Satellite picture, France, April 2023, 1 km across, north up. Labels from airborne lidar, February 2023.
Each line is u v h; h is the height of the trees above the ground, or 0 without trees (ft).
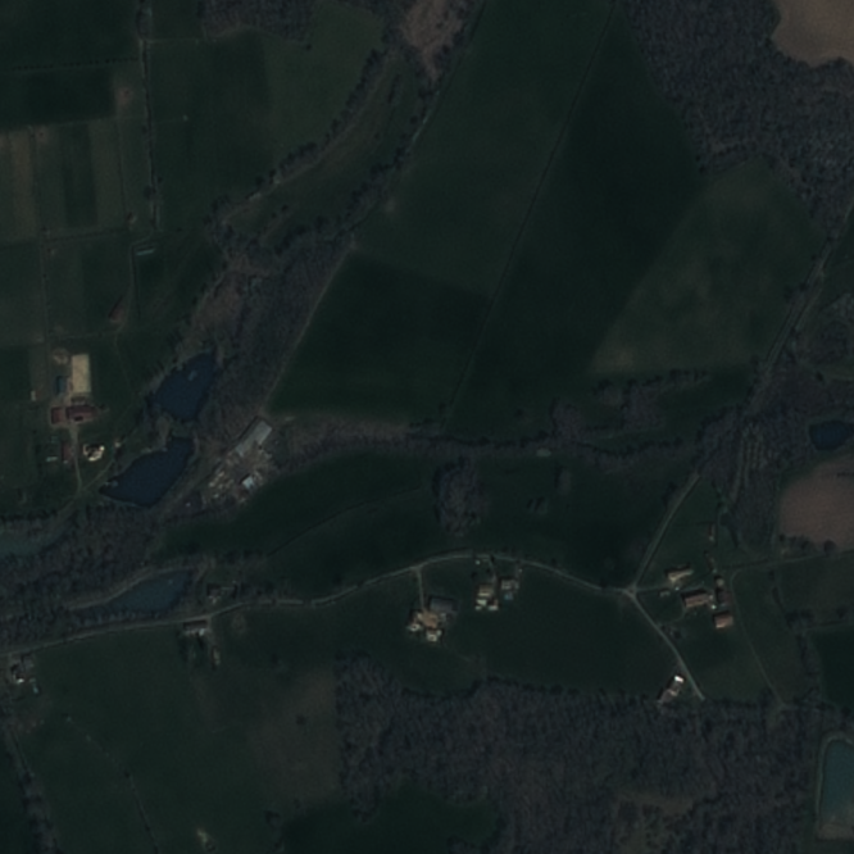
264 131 0
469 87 0
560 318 0
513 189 0
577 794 72
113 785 0
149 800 0
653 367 0
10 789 0
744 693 0
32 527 50
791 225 0
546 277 0
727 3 75
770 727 66
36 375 0
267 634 0
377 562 0
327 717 0
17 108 0
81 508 0
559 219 0
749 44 72
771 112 44
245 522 0
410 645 0
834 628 0
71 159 0
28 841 0
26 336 0
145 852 0
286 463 0
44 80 0
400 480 0
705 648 0
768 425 61
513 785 76
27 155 0
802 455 63
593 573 0
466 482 72
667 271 0
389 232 0
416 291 0
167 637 0
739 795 80
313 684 0
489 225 0
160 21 0
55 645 0
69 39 0
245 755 0
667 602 0
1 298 0
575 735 62
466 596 0
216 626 0
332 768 0
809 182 40
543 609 0
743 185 0
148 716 0
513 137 0
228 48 0
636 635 0
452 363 0
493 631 0
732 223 0
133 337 0
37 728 0
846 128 26
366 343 0
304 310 43
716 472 56
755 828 62
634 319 0
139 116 0
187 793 0
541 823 79
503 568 0
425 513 0
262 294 50
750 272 0
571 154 0
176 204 0
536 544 0
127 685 0
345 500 0
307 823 0
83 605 81
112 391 0
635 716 53
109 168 0
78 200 0
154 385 76
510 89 0
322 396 0
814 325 0
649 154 0
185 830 0
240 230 0
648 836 0
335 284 0
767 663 0
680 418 0
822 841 0
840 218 24
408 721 67
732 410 28
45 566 60
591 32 0
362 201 51
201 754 0
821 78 42
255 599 31
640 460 39
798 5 0
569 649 0
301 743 0
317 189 0
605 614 0
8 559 0
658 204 0
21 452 0
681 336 0
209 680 0
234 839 0
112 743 0
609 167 0
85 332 0
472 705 71
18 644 32
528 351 0
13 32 0
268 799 0
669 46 62
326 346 0
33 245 0
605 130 0
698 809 34
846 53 0
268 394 31
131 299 0
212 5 59
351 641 0
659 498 0
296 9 53
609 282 0
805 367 59
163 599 0
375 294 0
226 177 0
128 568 39
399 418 0
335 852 0
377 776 77
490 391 0
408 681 0
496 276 0
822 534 0
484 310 0
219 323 0
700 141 22
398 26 45
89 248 0
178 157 0
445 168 0
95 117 0
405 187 0
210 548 0
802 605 0
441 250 0
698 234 0
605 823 58
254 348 41
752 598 0
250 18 44
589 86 0
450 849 34
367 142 0
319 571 0
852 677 0
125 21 0
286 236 0
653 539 30
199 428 55
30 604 36
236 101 0
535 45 0
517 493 0
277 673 41
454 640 0
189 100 0
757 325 0
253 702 0
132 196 0
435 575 0
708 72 59
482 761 70
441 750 68
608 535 0
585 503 0
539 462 0
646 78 0
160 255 0
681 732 55
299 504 0
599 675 0
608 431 25
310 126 0
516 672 0
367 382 0
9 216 0
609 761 69
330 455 69
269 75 0
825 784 0
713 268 0
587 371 0
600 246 0
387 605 0
